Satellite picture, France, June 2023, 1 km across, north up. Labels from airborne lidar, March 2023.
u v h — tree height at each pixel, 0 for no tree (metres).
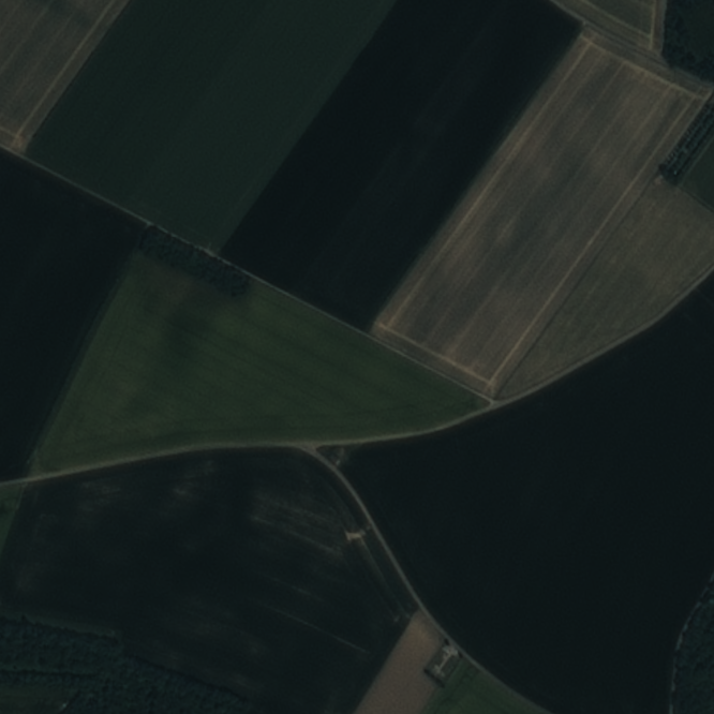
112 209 0
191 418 0
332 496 0
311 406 0
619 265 0
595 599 0
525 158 0
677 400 0
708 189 0
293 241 0
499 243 0
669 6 9
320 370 0
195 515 0
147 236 12
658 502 0
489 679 0
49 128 0
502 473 0
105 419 0
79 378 0
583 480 0
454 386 0
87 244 0
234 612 0
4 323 0
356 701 0
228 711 8
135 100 0
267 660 0
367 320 0
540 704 0
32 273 0
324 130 0
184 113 0
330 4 0
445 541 0
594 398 0
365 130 0
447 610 0
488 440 0
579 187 0
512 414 0
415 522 0
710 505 0
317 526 0
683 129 0
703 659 18
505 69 0
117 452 0
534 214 0
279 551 0
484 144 0
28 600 0
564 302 0
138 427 0
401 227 0
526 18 0
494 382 0
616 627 0
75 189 0
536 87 0
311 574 0
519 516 0
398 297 0
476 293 0
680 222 0
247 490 0
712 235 0
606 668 0
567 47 0
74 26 0
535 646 0
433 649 0
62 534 0
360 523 0
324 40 0
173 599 0
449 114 0
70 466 0
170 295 0
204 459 0
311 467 0
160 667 10
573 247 0
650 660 0
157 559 0
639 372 0
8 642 18
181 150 0
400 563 0
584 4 0
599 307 0
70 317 0
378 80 0
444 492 0
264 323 0
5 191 0
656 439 0
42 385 0
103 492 0
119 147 0
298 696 0
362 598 0
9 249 0
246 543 0
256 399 0
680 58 9
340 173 0
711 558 0
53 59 0
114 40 0
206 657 0
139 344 0
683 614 0
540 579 0
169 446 0
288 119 0
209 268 16
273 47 0
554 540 0
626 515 0
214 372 0
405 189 0
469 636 0
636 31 0
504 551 0
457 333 0
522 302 0
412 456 0
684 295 0
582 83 0
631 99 0
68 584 0
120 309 0
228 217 0
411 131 0
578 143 0
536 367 0
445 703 0
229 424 0
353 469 0
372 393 0
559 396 0
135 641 0
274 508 0
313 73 0
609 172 0
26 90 0
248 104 0
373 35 0
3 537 0
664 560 0
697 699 18
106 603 0
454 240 0
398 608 0
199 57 0
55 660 14
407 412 0
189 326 0
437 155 0
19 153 0
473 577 0
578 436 0
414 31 0
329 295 0
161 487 0
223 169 0
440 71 0
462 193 0
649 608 0
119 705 17
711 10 0
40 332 0
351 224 0
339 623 0
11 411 0
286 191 0
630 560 0
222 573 0
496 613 0
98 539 0
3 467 0
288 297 0
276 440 0
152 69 0
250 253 0
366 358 0
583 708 0
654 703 0
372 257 0
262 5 0
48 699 0
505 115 0
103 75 0
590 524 0
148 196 0
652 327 0
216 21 0
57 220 0
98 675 18
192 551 0
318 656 0
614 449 0
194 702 17
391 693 0
